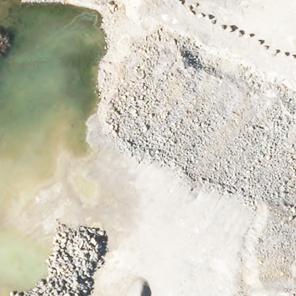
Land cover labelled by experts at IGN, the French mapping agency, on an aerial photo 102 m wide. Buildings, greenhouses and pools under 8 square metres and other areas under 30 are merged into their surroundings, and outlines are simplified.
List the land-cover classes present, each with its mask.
<instances>
[{"label":"pervious surface","instance_id":"1","mask_svg":"<svg viewBox=\"0 0 296 296\"><path fill-rule=\"evenodd\" d=\"M22 3H61L98 10L103 17L102 28L106 34L108 52L99 62L97 81L101 102L98 103L97 112L91 114L87 120L86 141L89 147L86 156H75L67 149L61 151L55 162L54 175L44 182L32 185L30 191L24 192L18 202L12 200L8 205V222L34 238L38 244L49 246L52 250L51 256L46 260V279L38 282L34 289L14 290L10 296H296V0H21Z\"/></svg>","mask_w":296,"mask_h":296},{"label":"water","instance_id":"2","mask_svg":"<svg viewBox=\"0 0 296 296\"><path fill-rule=\"evenodd\" d=\"M103 17L98 10L61 3H22L21 0H0V296H10L14 290L34 289L38 282L46 279V260L51 256L52 250L49 246L38 244L34 238L8 222V205L12 200L18 202L24 192L30 191L32 185L44 182L54 175L55 162L61 151L67 149L75 156H86L89 147L86 141L87 120L91 114L97 112L98 103L101 102L97 81L99 62L108 52L106 34L102 28Z\"/></svg>","mask_w":296,"mask_h":296}]
</instances>
